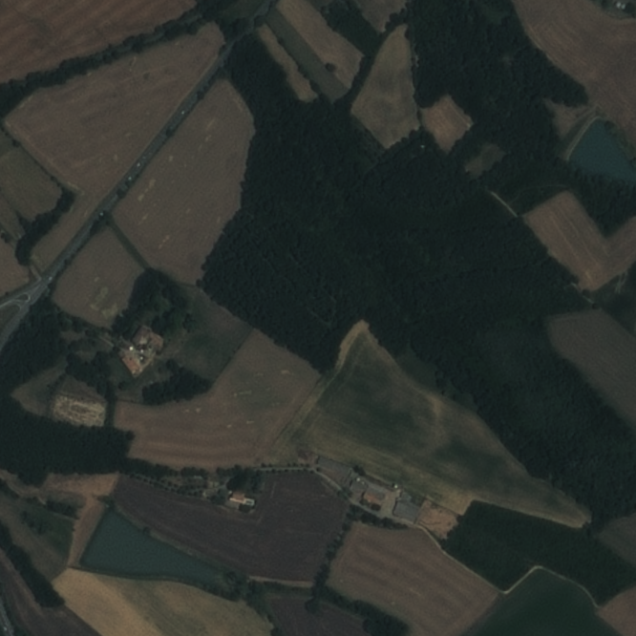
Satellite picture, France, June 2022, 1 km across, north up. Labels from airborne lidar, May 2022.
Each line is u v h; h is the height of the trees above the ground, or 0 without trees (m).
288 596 0
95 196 0
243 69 24
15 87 17
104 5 0
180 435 0
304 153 18
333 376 0
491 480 0
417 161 16
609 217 11
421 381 0
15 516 0
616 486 16
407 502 0
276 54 0
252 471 12
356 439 0
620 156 0
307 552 0
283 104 22
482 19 19
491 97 25
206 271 14
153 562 0
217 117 0
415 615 0
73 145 0
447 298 22
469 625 0
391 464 0
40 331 14
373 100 0
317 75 0
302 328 20
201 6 15
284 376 0
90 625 0
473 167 0
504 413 18
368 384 0
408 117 0
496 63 25
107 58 16
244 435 0
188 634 0
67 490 0
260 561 0
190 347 0
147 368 0
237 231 13
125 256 0
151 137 0
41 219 16
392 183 20
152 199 0
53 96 0
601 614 0
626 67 0
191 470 10
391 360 0
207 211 0
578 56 0
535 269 17
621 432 9
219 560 0
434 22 13
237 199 0
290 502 0
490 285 19
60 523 0
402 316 26
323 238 20
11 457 16
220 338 0
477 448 0
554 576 0
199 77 0
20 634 19
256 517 0
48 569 0
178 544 0
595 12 0
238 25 19
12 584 0
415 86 8
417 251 17
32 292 0
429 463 0
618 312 0
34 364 20
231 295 19
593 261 0
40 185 0
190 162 0
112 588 0
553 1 0
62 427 13
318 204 17
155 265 0
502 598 0
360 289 17
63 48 0
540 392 9
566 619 0
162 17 0
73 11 0
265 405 0
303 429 0
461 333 7
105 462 17
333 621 0
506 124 25
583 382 8
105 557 0
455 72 24
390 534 0
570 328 0
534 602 0
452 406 0
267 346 0
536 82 24
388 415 0
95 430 15
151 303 12
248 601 25
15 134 0
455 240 12
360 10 15
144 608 0
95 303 0
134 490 0
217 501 17
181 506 0
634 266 0
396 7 0
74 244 0
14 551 16
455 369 23
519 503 0
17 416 17
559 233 0
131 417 0
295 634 0
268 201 15
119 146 0
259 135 10
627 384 0
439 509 0
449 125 0
